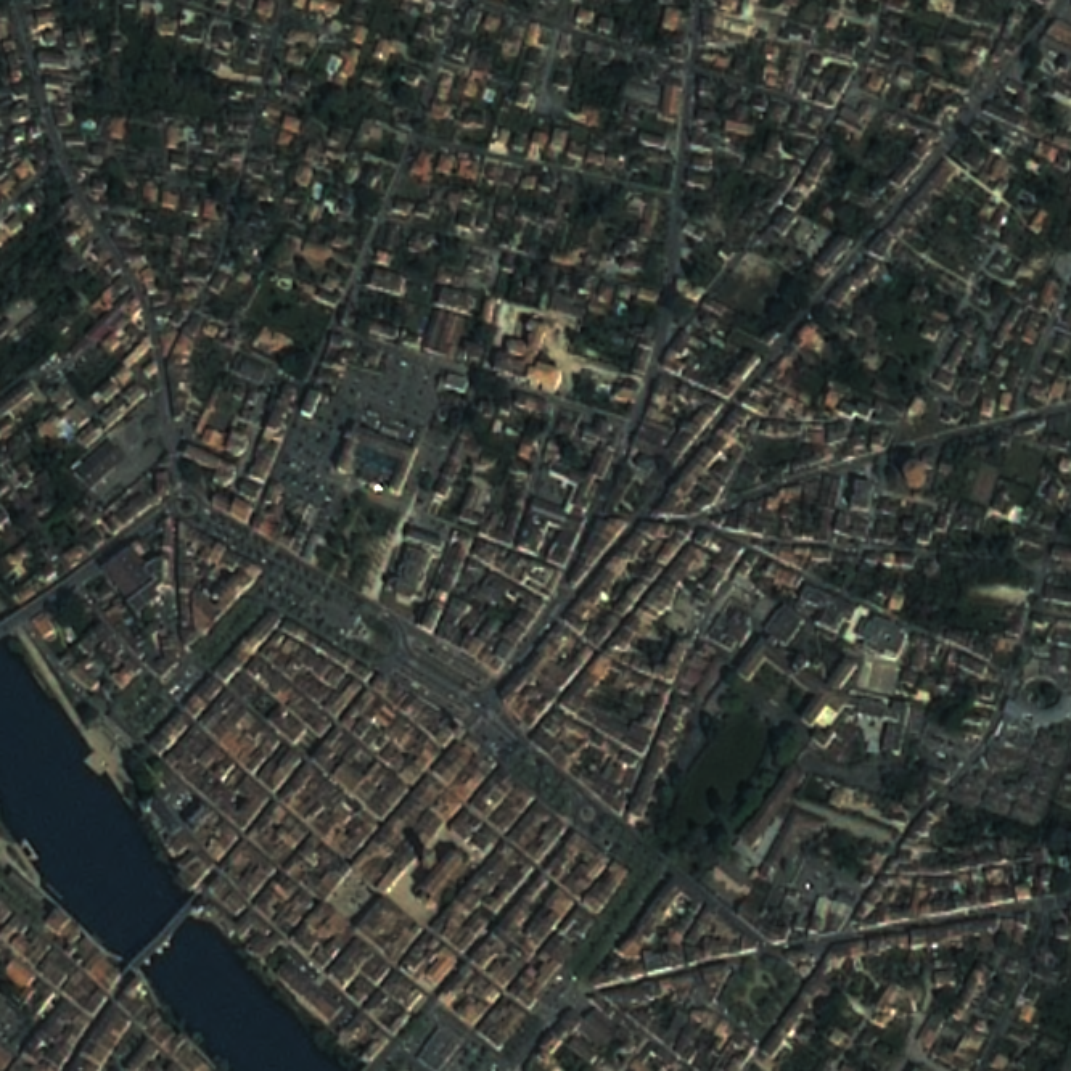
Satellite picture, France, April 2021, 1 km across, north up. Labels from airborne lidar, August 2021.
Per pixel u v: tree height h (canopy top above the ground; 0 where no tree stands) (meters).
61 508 13
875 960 6
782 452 0
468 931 0
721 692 0
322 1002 0
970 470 9
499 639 0
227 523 13
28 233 7
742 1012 15
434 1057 0
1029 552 9
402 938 0
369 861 0
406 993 0
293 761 0
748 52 9
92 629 8
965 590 12
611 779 0
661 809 9
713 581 0
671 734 0
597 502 0
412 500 0
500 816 0
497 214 8
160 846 8
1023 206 6
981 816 6
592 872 0
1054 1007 10
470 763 0
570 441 8
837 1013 20
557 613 0
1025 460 0
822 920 0
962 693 12
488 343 9
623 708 9
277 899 0
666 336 0
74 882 0
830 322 15
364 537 10
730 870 0
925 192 0
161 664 0
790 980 17
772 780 11
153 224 7
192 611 0
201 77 13
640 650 7
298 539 0
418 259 9
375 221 7
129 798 8
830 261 0
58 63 0
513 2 13
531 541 0
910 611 7
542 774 13
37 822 0
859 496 0
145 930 0
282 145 6
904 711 0
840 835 10
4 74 9
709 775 0
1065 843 16
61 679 0
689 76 0
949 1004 11
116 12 9
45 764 0
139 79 16
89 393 6
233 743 0
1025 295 0
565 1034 0
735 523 0
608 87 7
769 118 6
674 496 0
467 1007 0
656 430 0
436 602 0
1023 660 14
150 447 8
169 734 0
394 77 10
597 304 0
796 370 8
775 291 0
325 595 13
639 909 15
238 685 10
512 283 8
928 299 6
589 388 12
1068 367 8
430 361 0
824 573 6
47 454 7
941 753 0
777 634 0
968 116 0
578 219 12
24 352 10
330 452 0
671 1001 7
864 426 12
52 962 0
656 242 8
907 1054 0
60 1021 0
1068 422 0
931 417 0
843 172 12
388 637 0
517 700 0
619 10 6
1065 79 0
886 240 0
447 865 0
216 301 5
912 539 15
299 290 8
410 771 0
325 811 0
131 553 0
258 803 0
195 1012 0
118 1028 0
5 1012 0
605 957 14
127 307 0
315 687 0
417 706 0
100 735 0
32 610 0
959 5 8
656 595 0
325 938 0
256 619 14
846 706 0
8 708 0
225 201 14
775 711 0
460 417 13
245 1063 0
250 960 8
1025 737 0
